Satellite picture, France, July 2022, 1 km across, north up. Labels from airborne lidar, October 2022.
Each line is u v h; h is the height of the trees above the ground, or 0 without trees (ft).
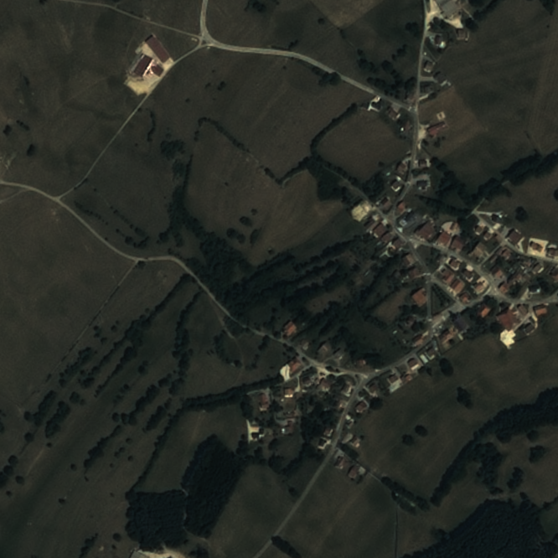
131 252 0
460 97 0
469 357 0
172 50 0
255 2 18
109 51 0
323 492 0
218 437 55
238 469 36
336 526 0
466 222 49
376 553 0
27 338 0
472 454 58
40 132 0
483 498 0
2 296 0
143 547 44
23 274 0
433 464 0
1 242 0
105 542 0
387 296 18
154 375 0
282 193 0
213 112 0
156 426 43
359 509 0
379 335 0
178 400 0
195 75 0
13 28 0
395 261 35
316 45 0
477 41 0
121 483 0
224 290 37
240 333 59
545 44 0
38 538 0
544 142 0
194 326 0
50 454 0
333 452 0
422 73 0
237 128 0
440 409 0
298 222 0
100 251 0
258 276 40
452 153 0
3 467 0
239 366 43
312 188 0
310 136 0
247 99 0
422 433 55
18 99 0
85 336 0
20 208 0
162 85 0
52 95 0
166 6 0
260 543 0
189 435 0
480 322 19
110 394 0
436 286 18
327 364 0
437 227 24
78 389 0
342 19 0
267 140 0
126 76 0
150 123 0
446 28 53
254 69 0
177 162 19
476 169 0
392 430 0
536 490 0
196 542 0
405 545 0
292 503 0
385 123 0
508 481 0
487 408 0
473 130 0
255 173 0
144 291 0
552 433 0
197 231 28
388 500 0
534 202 0
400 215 0
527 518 66
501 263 22
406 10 0
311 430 43
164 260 0
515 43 0
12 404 0
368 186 24
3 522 0
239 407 0
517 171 69
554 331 0
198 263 35
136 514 80
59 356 0
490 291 0
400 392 0
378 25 0
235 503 0
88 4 0
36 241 0
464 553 75
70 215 0
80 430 0
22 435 0
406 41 0
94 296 0
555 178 0
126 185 0
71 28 0
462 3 0
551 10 28
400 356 0
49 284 0
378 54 0
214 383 0
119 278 0
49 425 43
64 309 0
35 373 0
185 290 0
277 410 35
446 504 0
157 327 0
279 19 0
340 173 41
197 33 0
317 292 58
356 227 0
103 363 24
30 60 0
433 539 0
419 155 0
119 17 0
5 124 0
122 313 0
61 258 0
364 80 0
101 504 0
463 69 0
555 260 0
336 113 0
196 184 0
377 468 0
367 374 0
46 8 0
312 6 0
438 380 0
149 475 32
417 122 0
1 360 0
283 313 0
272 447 33
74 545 0
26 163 0
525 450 0
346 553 0
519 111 0
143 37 0
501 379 0
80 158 0
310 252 0
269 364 0
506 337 0
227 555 0
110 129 0
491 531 81
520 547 75
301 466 51
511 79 0
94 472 0
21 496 0
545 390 0
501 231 0
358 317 0
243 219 25
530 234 0
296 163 0
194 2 0
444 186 26
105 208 0
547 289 52
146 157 0
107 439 24
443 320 0
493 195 72
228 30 0
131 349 43
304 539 0
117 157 0
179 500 55
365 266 0
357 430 0
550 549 84
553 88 0
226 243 52
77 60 0
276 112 0
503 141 0
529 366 0
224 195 0
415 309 36
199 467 58
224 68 0
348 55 0
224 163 0
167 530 59
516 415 83
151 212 0
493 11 25
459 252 0
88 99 0
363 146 0
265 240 0
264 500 0
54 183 0
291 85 0
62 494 0
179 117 0
